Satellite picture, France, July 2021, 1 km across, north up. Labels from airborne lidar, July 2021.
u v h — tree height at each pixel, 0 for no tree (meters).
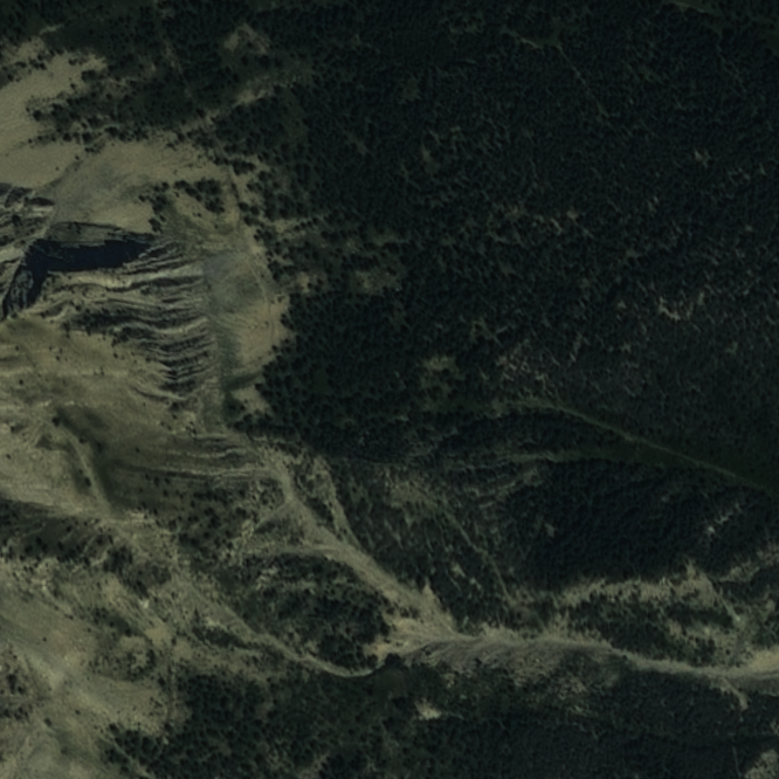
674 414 18
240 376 0
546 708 8
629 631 8
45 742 0
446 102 17
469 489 8
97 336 0
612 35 21
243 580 8
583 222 20
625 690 7
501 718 15
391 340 25
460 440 13
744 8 26
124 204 0
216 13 21
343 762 23
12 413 0
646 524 21
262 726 14
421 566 17
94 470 0
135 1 0
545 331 21
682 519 17
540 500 18
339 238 18
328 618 9
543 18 20
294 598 6
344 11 12
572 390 17
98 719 0
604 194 22
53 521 0
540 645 0
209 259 0
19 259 0
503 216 21
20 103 0
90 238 0
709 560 11
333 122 21
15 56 0
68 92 0
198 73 14
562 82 22
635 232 24
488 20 12
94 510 0
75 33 0
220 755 12
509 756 8
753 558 8
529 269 22
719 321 11
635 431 16
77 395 0
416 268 26
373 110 20
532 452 15
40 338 0
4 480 0
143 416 0
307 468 7
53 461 0
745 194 23
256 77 0
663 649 6
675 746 16
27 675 0
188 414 0
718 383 14
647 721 15
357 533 10
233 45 0
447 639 0
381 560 14
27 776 0
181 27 21
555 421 21
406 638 0
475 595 8
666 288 8
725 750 11
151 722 0
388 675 0
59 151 0
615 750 16
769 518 29
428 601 0
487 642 0
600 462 14
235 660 0
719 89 26
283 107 18
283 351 8
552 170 19
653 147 16
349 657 14
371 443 13
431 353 21
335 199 25
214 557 10
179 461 0
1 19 19
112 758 12
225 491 8
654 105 11
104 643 0
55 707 0
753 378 16
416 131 19
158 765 11
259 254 0
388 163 23
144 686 0
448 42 13
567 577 14
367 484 11
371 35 12
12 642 0
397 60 11
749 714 8
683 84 21
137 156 0
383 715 0
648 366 19
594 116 17
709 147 13
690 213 22
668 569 7
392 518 12
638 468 20
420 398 19
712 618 11
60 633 0
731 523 12
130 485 0
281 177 0
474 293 22
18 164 0
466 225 19
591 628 13
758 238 20
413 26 12
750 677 0
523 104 22
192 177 0
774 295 9
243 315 0
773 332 12
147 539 0
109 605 0
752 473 8
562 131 19
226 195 0
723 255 15
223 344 0
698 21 21
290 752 12
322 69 10
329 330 20
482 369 21
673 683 11
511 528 13
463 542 18
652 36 21
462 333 12
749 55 10
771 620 11
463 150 18
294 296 15
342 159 21
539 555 24
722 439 13
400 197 22
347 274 10
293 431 20
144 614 0
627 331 18
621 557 17
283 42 9
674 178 16
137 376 0
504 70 19
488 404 13
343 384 20
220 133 9
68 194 0
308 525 0
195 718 15
